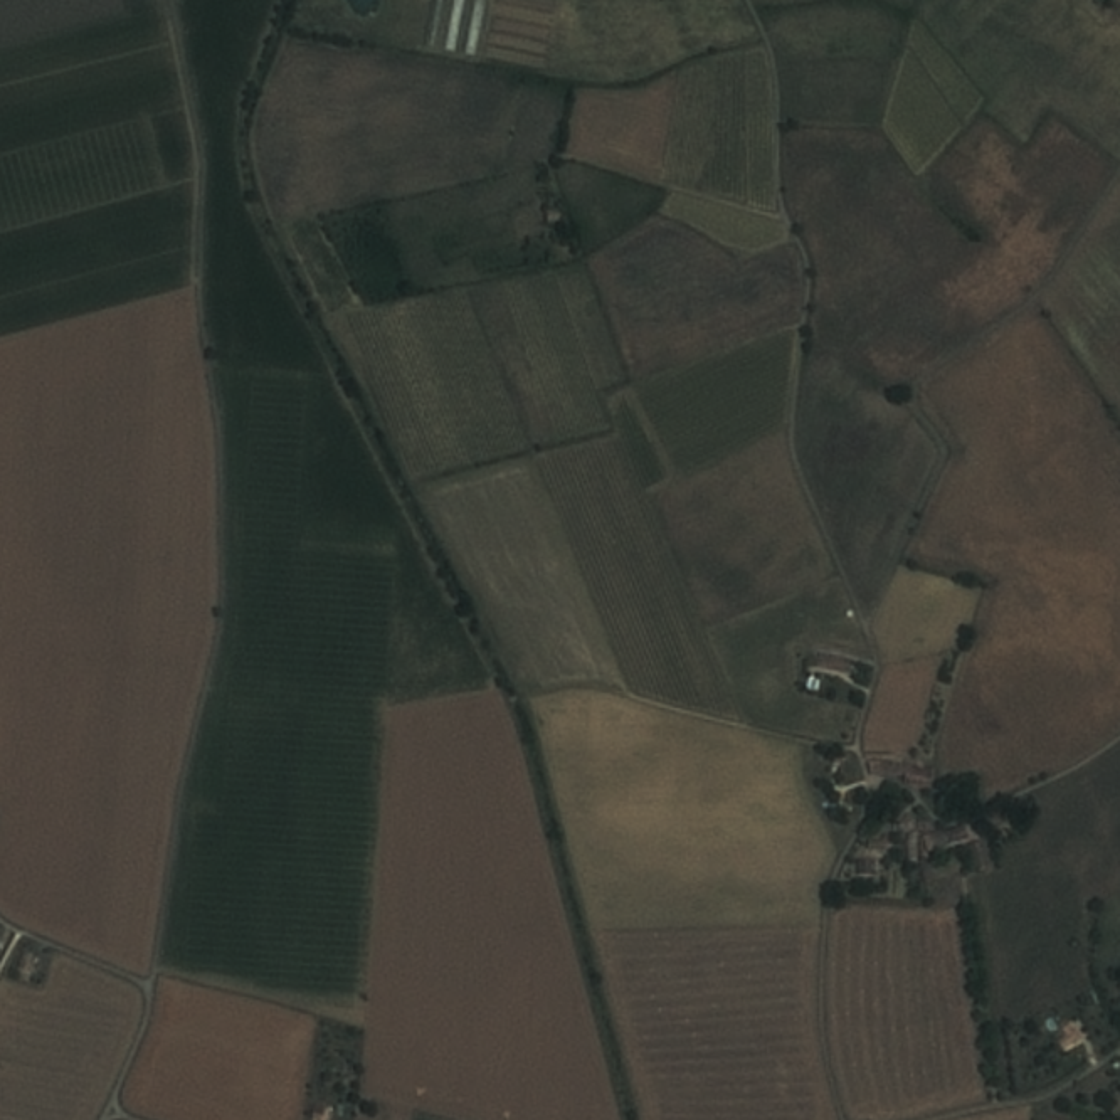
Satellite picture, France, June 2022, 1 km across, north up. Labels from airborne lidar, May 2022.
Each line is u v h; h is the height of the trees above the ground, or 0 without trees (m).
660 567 0
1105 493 0
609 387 0
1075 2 0
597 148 0
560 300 0
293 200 0
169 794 0
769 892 0
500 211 0
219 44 0
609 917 0
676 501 0
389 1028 0
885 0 0
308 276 0
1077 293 0
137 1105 0
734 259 0
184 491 0
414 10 0
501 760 0
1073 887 0
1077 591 0
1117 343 0
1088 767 0
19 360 0
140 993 0
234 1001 0
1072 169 0
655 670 0
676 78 0
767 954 0
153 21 0
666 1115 0
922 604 0
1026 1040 9
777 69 0
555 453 0
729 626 0
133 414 0
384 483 0
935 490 0
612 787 0
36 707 0
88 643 0
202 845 0
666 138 0
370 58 0
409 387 0
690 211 0
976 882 0
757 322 0
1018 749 0
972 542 0
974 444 0
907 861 10
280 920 0
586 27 0
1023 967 0
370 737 0
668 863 0
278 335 0
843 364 0
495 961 0
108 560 0
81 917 0
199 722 0
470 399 0
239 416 0
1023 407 0
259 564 0
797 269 0
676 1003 0
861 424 0
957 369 0
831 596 0
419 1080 0
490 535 0
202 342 0
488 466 0
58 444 0
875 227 0
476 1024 0
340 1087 9
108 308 0
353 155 0
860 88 0
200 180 0
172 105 0
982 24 0
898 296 0
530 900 0
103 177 0
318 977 0
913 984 0
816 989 0
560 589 0
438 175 0
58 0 0
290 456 0
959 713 0
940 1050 0
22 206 0
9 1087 0
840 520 0
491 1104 0
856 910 0
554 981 0
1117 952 0
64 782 0
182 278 0
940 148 0
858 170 0
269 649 0
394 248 7
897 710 0
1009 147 0
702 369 0
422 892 0
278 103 0
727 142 0
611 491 0
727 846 0
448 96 0
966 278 0
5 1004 0
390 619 0
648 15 0
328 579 0
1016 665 0
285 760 0
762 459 0
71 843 0
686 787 0
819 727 0
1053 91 0
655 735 0
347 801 0
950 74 0
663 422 0
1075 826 0
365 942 0
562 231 10
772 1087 0
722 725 0
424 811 0
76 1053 0
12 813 0
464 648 0
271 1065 0
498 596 0
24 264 0
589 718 0
